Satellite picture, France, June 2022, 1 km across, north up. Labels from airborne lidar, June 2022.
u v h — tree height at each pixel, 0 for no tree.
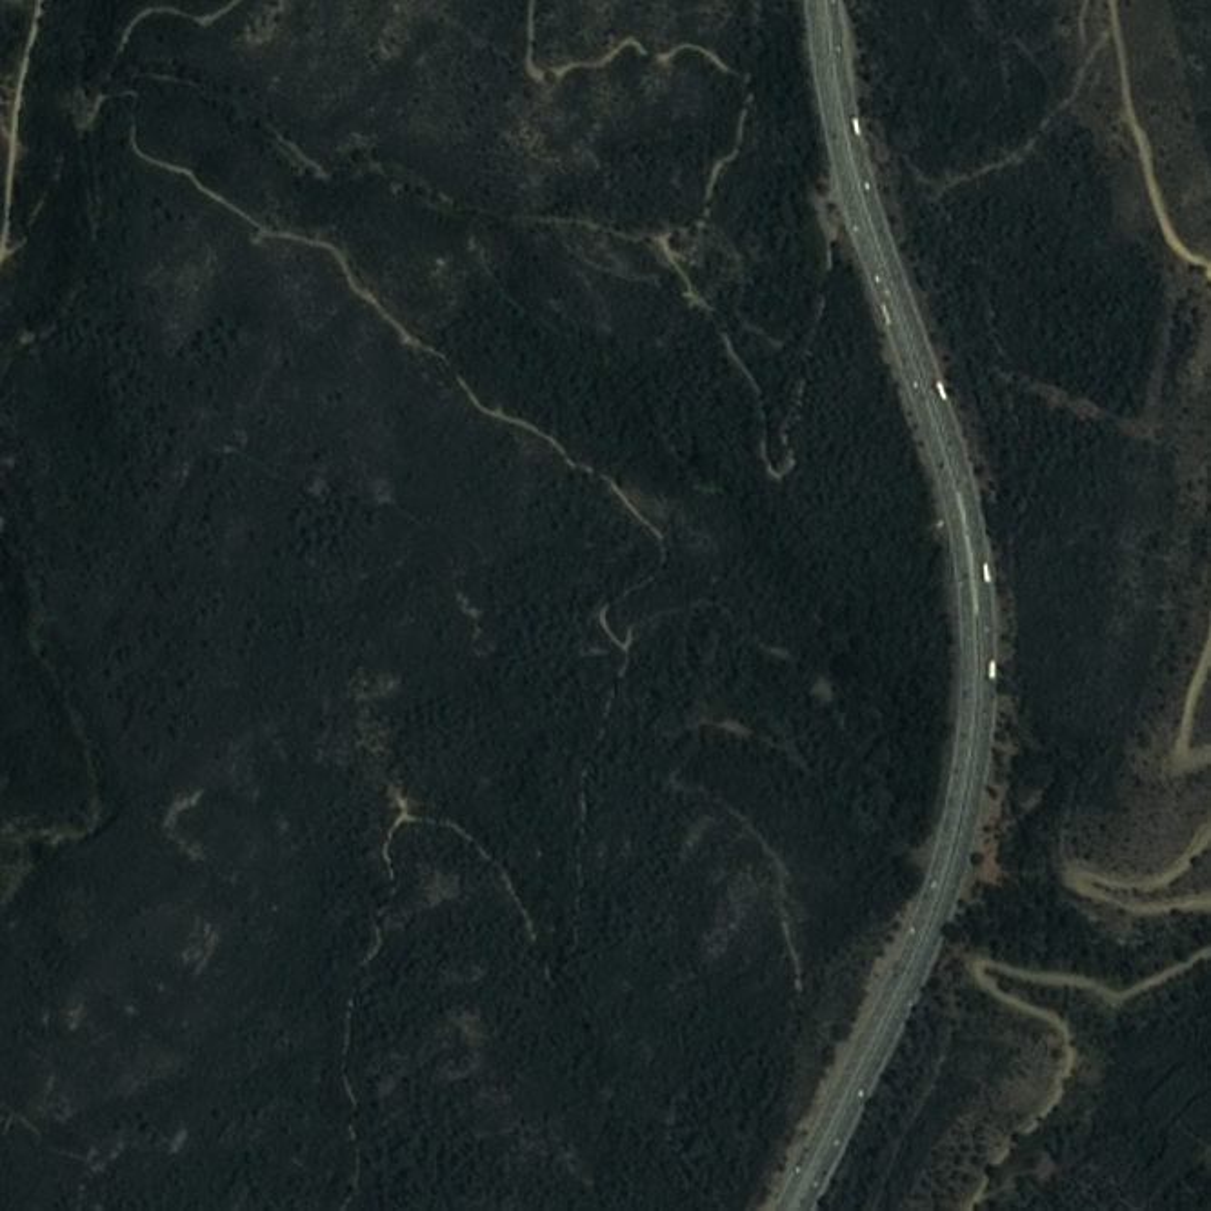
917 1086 11
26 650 13
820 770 15
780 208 19
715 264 8
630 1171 14
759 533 13
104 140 11
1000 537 6
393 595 7
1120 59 0
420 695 7
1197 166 0
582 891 7
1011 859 12
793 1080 12
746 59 9
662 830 15
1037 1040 7
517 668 16
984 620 0
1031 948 16
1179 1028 15
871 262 0
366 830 9
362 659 6
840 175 0
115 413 12
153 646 9
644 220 6
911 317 0
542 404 7
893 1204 9
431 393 6
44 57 12
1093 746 8
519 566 6
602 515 10
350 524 15
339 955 7
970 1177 10
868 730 12
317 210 6
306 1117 6
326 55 0
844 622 15
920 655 6
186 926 0
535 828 20
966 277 13
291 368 10
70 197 9
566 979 22
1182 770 0
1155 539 8
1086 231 8
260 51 0
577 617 14
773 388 6
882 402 11
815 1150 0
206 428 7
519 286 10
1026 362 7
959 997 9
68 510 6
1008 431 12
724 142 6
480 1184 7
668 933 10
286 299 0
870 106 9
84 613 6
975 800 0
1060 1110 13
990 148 8
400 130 0
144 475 6
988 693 0
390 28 0
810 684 6
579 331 9
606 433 11
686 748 17
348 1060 6
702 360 7
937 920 0
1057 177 7
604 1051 9
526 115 0
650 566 16
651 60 10
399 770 12
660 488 12
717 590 7
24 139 6
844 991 10
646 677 7
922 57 10
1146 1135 6
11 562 12
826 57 0
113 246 6
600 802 9
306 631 12
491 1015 13
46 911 6
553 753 17
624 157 8
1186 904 0
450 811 10
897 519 10
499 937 18
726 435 16
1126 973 7
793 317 7
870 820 9
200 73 9
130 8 7
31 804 6
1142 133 0
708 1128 16
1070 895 9
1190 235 0
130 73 15
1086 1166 10
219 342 15
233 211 0
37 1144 7
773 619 7
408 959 7
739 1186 6
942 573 15
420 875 6
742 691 15
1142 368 8
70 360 8
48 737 7
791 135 13
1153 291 7
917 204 7
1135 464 8
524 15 8
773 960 7
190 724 14
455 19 0
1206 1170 10
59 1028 7
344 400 13
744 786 5
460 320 6
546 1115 6
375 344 0
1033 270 8
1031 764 14
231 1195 11
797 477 8
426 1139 12
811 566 11
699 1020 14
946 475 0
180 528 10
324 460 11
